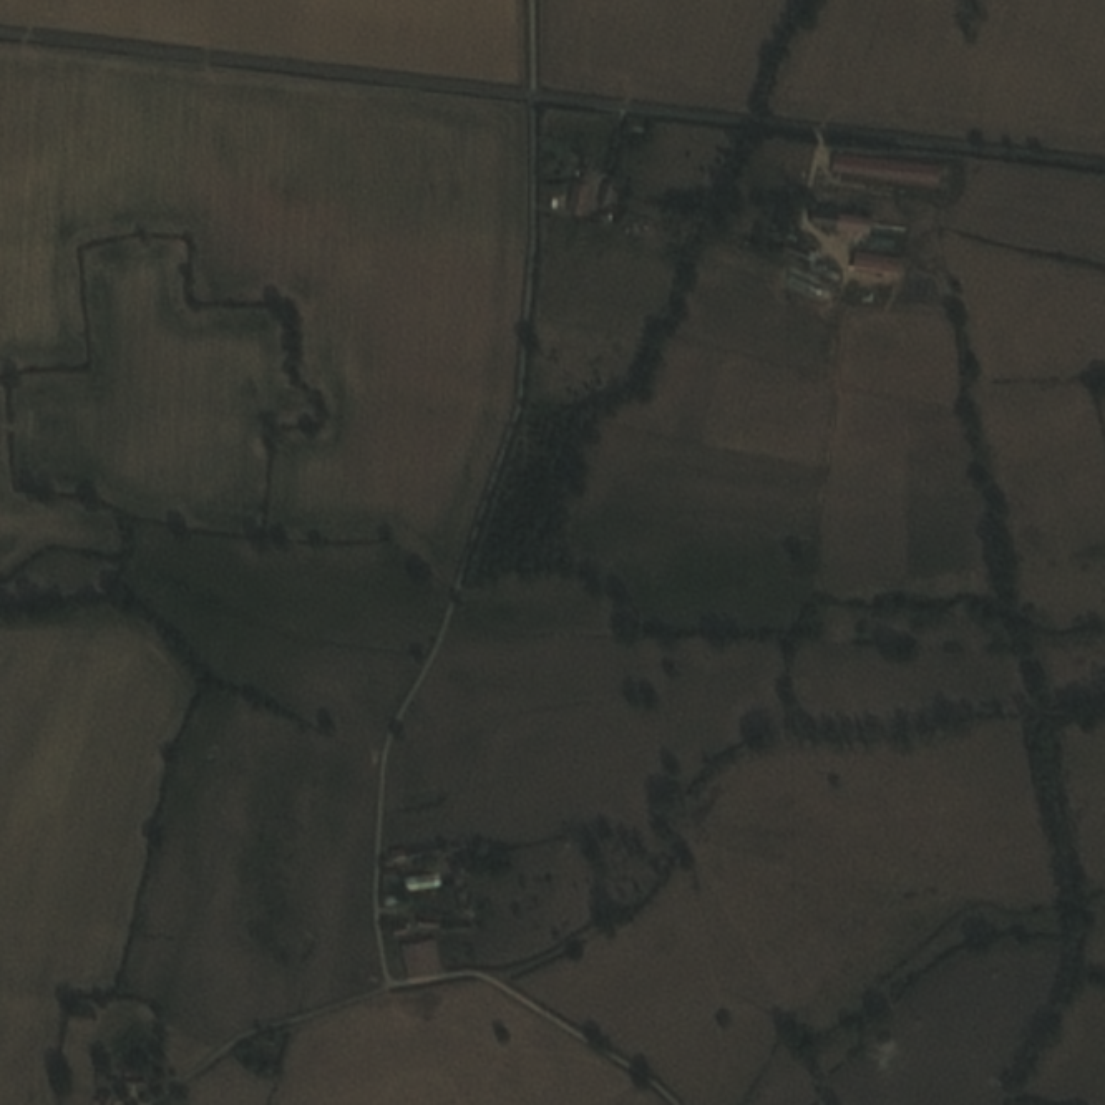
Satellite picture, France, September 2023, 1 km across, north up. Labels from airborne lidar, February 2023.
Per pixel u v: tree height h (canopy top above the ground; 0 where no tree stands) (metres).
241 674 0
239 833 0
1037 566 0
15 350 0
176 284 0
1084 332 0
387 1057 0
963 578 0
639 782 0
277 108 0
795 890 0
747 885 0
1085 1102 0
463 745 0
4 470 0
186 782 0
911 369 0
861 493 0
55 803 0
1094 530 0
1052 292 0
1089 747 0
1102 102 0
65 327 0
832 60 0
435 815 0
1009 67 0
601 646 0
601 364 0
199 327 0
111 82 0
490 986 0
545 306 0
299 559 0
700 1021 0
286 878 0
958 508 0
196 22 0
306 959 0
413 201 0
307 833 0
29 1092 0
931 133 0
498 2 0
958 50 0
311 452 0
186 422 0
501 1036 15
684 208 14
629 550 0
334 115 0
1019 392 0
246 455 0
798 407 0
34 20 0
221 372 0
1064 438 0
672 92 0
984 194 0
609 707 0
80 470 0
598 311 0
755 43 0
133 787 0
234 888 0
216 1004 0
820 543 0
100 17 0
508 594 0
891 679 0
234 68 0
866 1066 0
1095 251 0
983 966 0
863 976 0
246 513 0
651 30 0
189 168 0
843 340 0
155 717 0
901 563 0
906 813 0
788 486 0
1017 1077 14
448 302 0
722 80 0
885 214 0
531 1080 0
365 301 0
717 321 0
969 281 0
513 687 0
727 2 0
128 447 0
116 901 0
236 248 0
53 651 0
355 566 0
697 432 0
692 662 0
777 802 0
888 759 0
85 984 0
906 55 0
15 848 0
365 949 0
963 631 0
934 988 0
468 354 0
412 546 0
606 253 0
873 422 0
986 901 0
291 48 0
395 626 0
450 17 0
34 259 0
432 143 0
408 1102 0
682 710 0
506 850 7
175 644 16
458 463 0
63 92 0
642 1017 0
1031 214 0
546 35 0
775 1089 0
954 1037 0
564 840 12
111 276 0
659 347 10
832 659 0
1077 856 8
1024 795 0
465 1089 0
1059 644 0
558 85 0
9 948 0
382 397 0
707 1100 0
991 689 0
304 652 0
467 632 0
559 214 0
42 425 0
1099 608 0
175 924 0
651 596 0
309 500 0
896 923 0
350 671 0
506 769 0
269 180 0
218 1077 0
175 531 19
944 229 0
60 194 0
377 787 0
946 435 0
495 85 0
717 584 0
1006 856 0
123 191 0
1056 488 0
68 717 0
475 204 0
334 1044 0
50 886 0
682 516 0
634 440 0
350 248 0
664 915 0
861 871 0
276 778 0
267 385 0
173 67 0
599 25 0
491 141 0
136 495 0
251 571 0
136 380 0
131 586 0
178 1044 0
